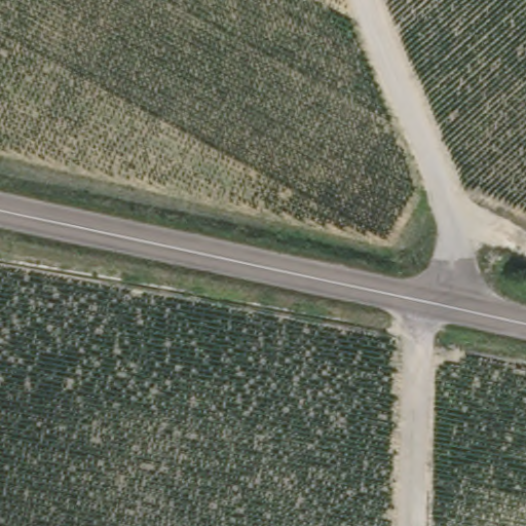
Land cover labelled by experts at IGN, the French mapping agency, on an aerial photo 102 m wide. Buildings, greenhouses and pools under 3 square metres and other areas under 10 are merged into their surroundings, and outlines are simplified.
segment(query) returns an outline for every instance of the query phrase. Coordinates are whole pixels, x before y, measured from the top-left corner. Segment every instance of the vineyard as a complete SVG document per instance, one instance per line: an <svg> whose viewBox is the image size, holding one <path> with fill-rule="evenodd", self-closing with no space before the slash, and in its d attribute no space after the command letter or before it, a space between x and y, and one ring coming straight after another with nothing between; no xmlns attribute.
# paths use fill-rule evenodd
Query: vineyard
<svg viewBox="0 0 526 526"><path fill-rule="evenodd" d="M146 294L136 296L134 300L123 300L117 288L66 281L62 277L51 277L43 273L31 273L29 279L25 279L23 271L14 267L0 269L0 526L392 526L386 520L386 512L395 508L390 477L395 456L388 448L395 429L392 405L397 397L392 395L395 368L390 364L395 353L395 341L388 333L378 337L362 333L343 335L337 331L341 321L337 318L290 312L288 321L277 321L273 316L273 308L269 306L259 306L257 314L245 314L247 302L208 296L199 296L193 304L179 298L158 296L156 304L148 304Z"/></svg>
<svg viewBox="0 0 526 526"><path fill-rule="evenodd" d="M401 29L405 51L413 64L417 78L421 80L423 92L442 129L442 140L450 150L450 156L460 173L460 183L471 195L471 201L487 210L489 214L505 218L512 224L526 230L526 0L386 0L388 12L395 25Z"/></svg>
<svg viewBox="0 0 526 526"><path fill-rule="evenodd" d="M18 177L25 181L68 185L74 189L117 195L129 201L183 210L197 216L216 216L228 218L232 222L251 222L255 226L265 226L286 224L304 232L331 234L335 238L349 242L355 249L384 249L409 247L423 232L423 226L429 224L434 218L425 187L413 185L407 154L397 144L397 125L392 121L392 113L386 107L382 90L376 82L374 68L370 66L370 60L364 51L364 43L355 29L355 23L347 14L341 14L337 10L343 0L0 0L0 171L4 175Z"/></svg>
<svg viewBox="0 0 526 526"><path fill-rule="evenodd" d="M526 362L520 364L518 358L505 355L503 362L479 362L479 355L464 355L458 362L444 362L436 370L431 526L526 526Z"/></svg>

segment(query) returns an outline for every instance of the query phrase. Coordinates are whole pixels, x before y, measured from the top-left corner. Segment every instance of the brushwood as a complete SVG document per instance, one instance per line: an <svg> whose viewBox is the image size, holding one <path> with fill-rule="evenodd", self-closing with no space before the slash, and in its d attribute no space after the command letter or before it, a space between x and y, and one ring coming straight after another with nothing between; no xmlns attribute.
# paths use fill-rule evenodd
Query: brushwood
<svg viewBox="0 0 526 526"><path fill-rule="evenodd" d="M477 255L481 277L497 294L520 304L526 304L526 257L514 253L512 249L491 245L481 247Z"/></svg>
<svg viewBox="0 0 526 526"><path fill-rule="evenodd" d="M388 275L395 269L395 261L384 249L355 249L349 242L335 238L331 234L304 232L286 224L265 226L263 236L253 247L298 255L306 259L343 263L355 269Z"/></svg>

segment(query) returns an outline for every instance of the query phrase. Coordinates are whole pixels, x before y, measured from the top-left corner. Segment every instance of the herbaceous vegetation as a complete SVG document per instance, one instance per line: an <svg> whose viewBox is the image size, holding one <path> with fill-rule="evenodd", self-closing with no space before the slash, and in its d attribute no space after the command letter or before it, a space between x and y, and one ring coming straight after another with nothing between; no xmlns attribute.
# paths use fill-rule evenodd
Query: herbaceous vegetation
<svg viewBox="0 0 526 526"><path fill-rule="evenodd" d="M464 355L479 355L479 362L503 362L505 355L518 358L520 364L526 362L526 339L497 335L462 325L446 325L436 335L434 345L444 349L456 347Z"/></svg>
<svg viewBox="0 0 526 526"><path fill-rule="evenodd" d="M214 271L162 263L154 259L142 259L125 253L103 251L0 228L0 269L14 267L23 271L25 279L29 279L31 273L43 273L51 277L62 277L66 281L117 288L123 300L134 300L136 296L146 294L148 304L156 304L158 296L179 298L193 304L199 296L208 296L247 302L245 314L257 314L259 306L269 306L273 308L273 316L277 321L288 321L290 312L337 318L341 321L337 331L343 335L362 333L378 337L388 333L392 325L390 314L382 308L368 304L314 296L242 277L222 275Z"/></svg>
<svg viewBox="0 0 526 526"><path fill-rule="evenodd" d="M409 247L384 249L395 261L395 269L388 275L413 277L427 269L434 257L438 224L434 218L429 224L423 226L423 232Z"/></svg>
<svg viewBox="0 0 526 526"><path fill-rule="evenodd" d="M107 216L127 218L136 222L156 224L164 228L197 232L253 247L263 236L265 226L255 226L251 222L232 222L228 218L216 216L197 216L183 210L129 201L117 195L74 189L68 185L25 181L18 177L4 175L0 171L0 191L72 205Z"/></svg>

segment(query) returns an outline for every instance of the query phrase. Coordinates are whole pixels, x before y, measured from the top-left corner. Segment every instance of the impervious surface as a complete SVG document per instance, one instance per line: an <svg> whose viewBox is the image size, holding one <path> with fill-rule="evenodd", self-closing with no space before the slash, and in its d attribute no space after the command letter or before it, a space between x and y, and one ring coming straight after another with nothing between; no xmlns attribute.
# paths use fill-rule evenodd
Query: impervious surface
<svg viewBox="0 0 526 526"><path fill-rule="evenodd" d="M390 314L392 310L401 314L411 312L417 316L442 321L446 325L462 325L497 335L526 339L526 304L520 304L497 294L481 277L477 255L458 261L442 261L434 257L427 269L413 277L388 275L355 269L343 263L306 259L298 255L253 247L197 232L164 228L156 224L136 222L127 218L107 216L72 205L0 191L0 228L103 251L125 253L142 259L154 259L162 263L214 271L222 275L242 277L314 296L368 304L382 308Z"/></svg>

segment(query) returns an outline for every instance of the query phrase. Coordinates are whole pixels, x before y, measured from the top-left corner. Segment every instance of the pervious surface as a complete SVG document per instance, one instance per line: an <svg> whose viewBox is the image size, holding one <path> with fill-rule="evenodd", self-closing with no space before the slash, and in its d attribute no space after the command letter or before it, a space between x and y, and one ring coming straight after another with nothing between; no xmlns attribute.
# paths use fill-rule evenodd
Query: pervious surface
<svg viewBox="0 0 526 526"><path fill-rule="evenodd" d="M401 29L395 25L388 12L386 0L343 0L337 10L341 14L347 14L355 23L355 29L364 43L364 51L370 60L370 66L374 68L376 82L382 90L386 107L392 113L392 121L397 125L397 144L407 154L413 185L425 187L434 218L438 224L434 257L442 261L458 261L477 255L481 247L491 245L512 249L514 253L526 257L526 230L512 224L505 218L489 214L487 210L471 201L471 195L460 183L460 173L450 156L450 150L442 140L442 129L423 92L421 80L417 78L413 64L405 51Z"/></svg>
<svg viewBox="0 0 526 526"><path fill-rule="evenodd" d="M386 520L392 526L431 526L436 370L444 362L458 362L464 355L456 347L444 349L434 345L436 335L446 325L442 321L417 316L411 312L401 314L392 310L390 314L392 325L388 333L395 341L395 353L390 364L395 368L392 395L397 397L392 405L395 429L388 448L395 456L390 477L395 508L386 512Z"/></svg>

